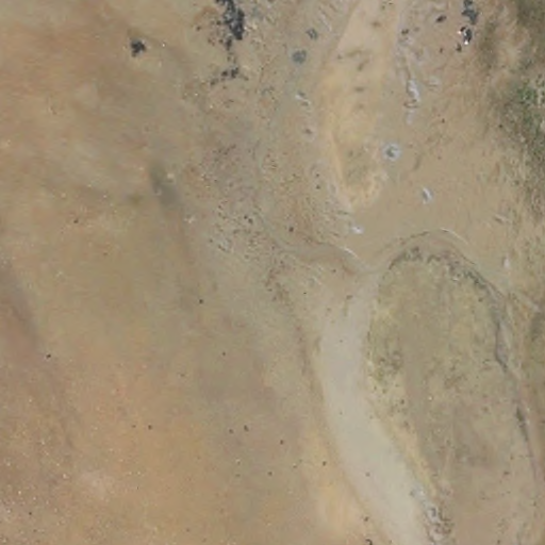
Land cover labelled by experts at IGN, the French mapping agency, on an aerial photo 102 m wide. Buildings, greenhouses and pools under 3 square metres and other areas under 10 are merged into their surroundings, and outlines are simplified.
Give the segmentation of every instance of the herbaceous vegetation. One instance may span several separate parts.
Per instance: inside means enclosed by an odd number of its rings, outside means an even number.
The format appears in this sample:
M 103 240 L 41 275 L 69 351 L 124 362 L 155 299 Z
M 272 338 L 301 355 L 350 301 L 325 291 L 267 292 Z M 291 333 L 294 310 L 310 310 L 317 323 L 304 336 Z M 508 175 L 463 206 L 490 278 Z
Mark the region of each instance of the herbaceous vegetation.
M 217 26 L 226 26 L 230 30 L 224 45 L 226 49 L 232 49 L 232 45 L 243 38 L 245 28 L 245 15 L 234 0 L 217 0 L 226 4 L 224 17 L 217 21 Z

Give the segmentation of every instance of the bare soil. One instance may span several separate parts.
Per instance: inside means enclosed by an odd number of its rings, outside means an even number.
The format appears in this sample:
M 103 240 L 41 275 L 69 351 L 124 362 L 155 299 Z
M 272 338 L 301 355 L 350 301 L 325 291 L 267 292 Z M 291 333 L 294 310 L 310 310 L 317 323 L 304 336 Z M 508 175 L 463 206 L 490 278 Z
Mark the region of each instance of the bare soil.
M 217 21 L 224 17 L 226 4 L 217 0 L 0 0 L 0 545 L 545 545 L 545 170 L 534 166 L 530 170 L 526 166 L 530 155 L 513 149 L 511 138 L 502 136 L 498 130 L 500 115 L 496 115 L 488 106 L 490 89 L 496 87 L 500 79 L 511 79 L 511 70 L 519 64 L 519 53 L 530 38 L 528 28 L 517 26 L 515 0 L 234 0 L 245 15 L 245 28 L 243 38 L 232 45 L 232 49 L 226 49 L 224 45 L 230 30 L 226 26 L 217 26 Z

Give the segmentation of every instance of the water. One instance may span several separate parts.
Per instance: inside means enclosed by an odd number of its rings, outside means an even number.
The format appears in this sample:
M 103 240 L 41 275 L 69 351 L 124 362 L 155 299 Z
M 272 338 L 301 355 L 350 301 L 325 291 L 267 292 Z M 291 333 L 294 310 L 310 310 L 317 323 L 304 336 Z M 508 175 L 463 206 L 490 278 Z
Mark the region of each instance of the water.
M 502 136 L 511 138 L 513 149 L 530 155 L 526 166 L 530 170 L 534 166 L 545 170 L 545 0 L 515 0 L 517 26 L 528 28 L 530 38 L 519 53 L 519 64 L 511 70 L 511 79 L 500 79 L 496 87 L 490 89 L 488 106 L 496 115 L 500 115 L 498 130 Z

